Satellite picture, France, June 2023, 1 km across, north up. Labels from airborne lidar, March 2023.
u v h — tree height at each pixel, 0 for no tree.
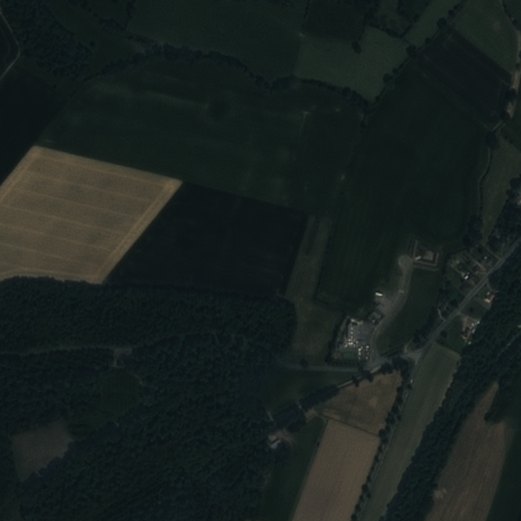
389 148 0
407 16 6
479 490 0
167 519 40
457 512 0
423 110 0
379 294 0
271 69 0
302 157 0
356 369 0
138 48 0
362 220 0
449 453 7
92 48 10
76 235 0
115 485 23
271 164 0
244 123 0
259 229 0
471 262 6
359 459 0
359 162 0
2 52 0
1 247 0
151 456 27
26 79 0
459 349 0
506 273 19
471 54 0
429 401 0
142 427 25
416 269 0
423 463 16
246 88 0
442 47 0
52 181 0
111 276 0
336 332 8
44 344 15
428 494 23
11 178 0
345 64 0
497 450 0
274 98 0
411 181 0
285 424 10
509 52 0
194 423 24
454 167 0
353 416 0
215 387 26
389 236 0
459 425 11
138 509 24
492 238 6
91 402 18
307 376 0
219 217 0
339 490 0
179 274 0
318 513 0
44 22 25
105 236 0
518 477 0
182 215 0
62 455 0
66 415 24
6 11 17
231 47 0
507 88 0
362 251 0
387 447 0
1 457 22
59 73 23
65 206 0
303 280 0
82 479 26
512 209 18
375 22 0
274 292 0
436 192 0
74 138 0
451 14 14
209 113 0
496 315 8
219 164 0
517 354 10
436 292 0
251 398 28
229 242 0
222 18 0
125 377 0
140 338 22
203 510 19
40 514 26
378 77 0
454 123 0
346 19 0
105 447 22
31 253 0
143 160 0
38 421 22
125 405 0
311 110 0
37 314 22
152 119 0
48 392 25
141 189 0
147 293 21
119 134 0
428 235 0
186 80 0
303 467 0
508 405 0
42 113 0
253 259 0
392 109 0
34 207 0
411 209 0
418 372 0
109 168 0
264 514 0
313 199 0
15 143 0
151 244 0
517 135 0
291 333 18
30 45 16
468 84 0
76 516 30
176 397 24
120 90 0
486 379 17
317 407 0
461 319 0
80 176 0
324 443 0
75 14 0
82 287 16
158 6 0
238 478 29
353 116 0
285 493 0
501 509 0
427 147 0
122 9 0
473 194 0
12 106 0
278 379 0
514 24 9
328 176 0
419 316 0
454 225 0
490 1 0
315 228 0
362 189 0
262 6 0
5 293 20
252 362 19
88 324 13
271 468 0
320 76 0
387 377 0
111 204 0
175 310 23
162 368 30
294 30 0
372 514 0
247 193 0
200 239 0
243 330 15
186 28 0
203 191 0
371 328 0
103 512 11
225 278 0
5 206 0
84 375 32
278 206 0
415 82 0
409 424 0
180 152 0
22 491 24
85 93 0
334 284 0
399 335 0
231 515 27
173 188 0
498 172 0
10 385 23
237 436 29
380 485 0
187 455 25
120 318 18
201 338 28
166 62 0
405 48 0
